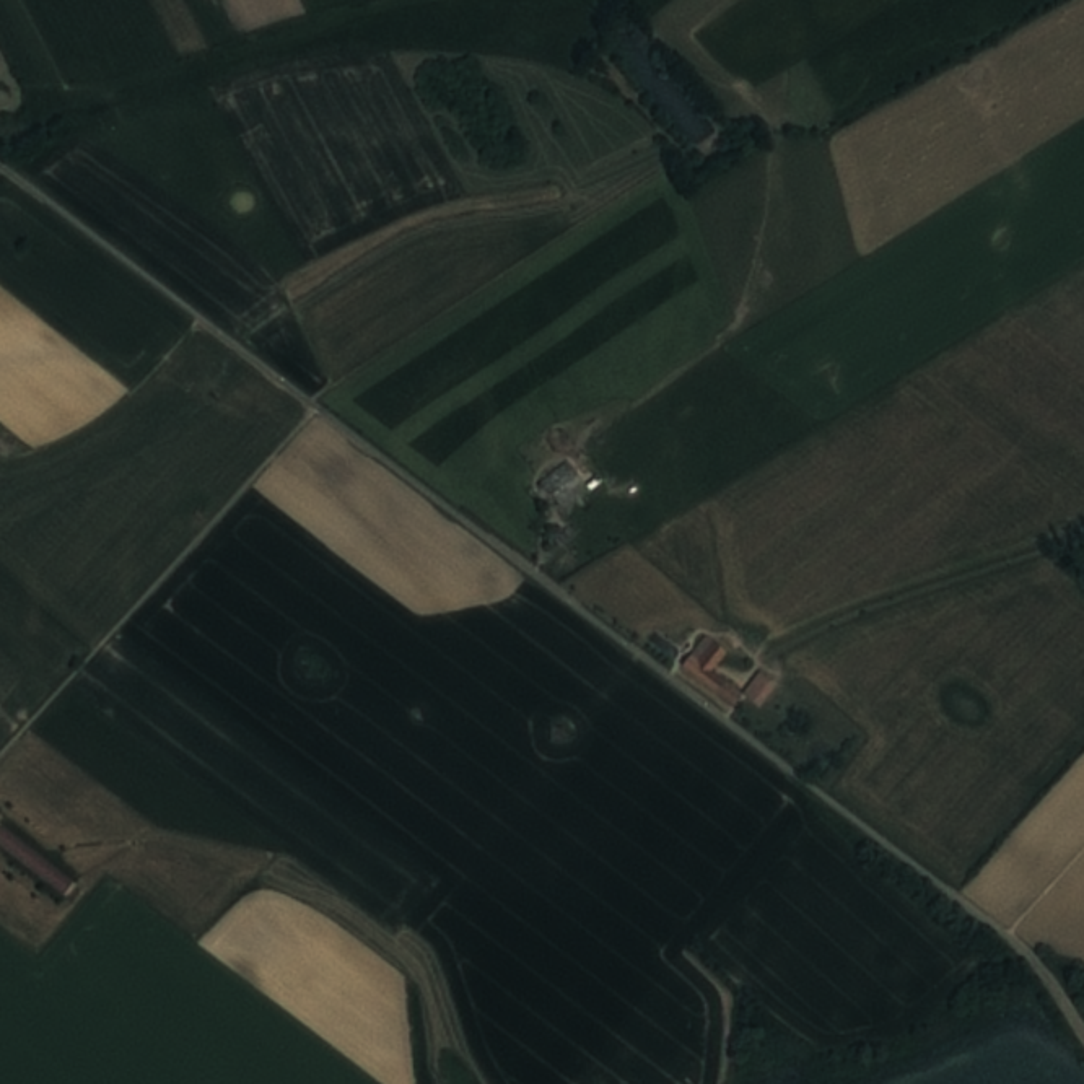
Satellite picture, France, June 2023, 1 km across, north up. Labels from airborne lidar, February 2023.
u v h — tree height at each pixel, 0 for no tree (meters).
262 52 0
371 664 0
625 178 0
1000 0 0
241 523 0
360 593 0
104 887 0
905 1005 0
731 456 0
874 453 0
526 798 0
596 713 0
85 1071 0
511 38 0
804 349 0
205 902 0
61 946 0
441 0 0
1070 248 0
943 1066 0
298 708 0
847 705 0
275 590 0
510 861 0
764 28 0
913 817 0
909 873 11
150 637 0
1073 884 0
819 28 0
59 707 0
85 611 0
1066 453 0
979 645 0
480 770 0
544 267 0
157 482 0
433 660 0
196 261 0
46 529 0
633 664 0
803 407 0
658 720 0
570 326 0
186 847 0
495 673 0
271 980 0
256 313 0
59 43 0
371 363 0
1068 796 0
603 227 0
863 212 0
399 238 0
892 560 0
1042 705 0
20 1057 0
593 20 0
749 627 0
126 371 0
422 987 0
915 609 0
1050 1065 0
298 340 0
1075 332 0
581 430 0
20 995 0
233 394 0
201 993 0
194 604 0
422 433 0
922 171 0
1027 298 0
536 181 0
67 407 0
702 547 0
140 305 0
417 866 0
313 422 0
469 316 0
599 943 0
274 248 0
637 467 0
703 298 0
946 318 0
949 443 0
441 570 0
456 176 0
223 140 0
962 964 0
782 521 0
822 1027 0
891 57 0
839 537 0
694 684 0
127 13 0
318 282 0
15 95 0
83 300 0
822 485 0
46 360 0
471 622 0
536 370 0
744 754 0
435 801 0
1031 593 0
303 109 0
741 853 0
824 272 0
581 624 0
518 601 0
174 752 0
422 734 0
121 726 0
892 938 0
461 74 10
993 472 0
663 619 0
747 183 0
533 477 0
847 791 0
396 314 0
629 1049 0
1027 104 0
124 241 0
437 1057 0
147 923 0
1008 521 0
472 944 0
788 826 0
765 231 0
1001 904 0
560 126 12
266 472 0
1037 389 0
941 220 0
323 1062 0
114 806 0
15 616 0
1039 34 0
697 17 0
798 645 0
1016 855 0
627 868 0
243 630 0
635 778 0
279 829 0
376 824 0
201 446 0
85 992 0
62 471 0
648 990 0
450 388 0
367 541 0
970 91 0
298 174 0
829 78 0
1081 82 0
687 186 29
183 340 0
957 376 0
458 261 0
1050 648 0
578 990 0
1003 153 0
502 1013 0
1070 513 0
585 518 0
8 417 0
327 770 0
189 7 0
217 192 0
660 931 0
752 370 0
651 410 0
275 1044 0
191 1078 0
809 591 0
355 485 0
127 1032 0
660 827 0
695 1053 0
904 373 0
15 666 0
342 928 0
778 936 0
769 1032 5
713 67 0
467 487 0
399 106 0
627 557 0
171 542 0
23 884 0
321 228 0
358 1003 0
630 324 0
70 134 0
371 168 0
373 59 0
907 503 0
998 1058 0
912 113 0
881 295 0
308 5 0
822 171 0
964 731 0
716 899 0
